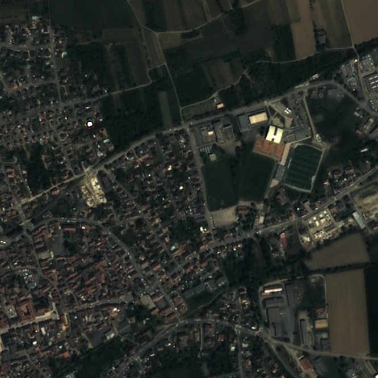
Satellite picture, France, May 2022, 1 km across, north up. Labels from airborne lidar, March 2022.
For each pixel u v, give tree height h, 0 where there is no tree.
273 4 0
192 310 0
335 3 0
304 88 0
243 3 0
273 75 6
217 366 12
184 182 0
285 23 0
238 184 0
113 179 0
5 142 0
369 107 0
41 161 6
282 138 0
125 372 0
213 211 0
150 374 8
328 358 0
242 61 8
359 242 0
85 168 0
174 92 0
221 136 0
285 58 0
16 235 0
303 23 0
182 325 0
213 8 0
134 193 0
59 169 10
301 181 0
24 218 0
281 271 16
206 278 0
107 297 0
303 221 0
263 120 0
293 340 0
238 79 0
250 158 0
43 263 0
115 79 0
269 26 0
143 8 0
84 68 6
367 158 11
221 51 0
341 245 0
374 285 0
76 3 0
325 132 0
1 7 0
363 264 0
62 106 0
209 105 0
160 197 7
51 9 0
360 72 0
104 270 0
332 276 0
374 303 0
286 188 0
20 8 0
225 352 6
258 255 0
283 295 0
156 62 0
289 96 0
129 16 0
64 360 0
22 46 0
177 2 0
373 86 0
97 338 0
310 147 0
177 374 0
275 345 0
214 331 0
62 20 0
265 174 0
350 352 0
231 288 12
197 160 0
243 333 0
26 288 11
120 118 10
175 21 0
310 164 0
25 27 0
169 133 0
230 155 0
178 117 0
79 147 0
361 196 0
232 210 0
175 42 0
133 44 0
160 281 0
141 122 7
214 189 0
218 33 0
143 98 0
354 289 0
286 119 0
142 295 0
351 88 0
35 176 6
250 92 8
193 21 0
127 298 0
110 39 0
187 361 7
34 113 0
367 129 0
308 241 0
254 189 0
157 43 0
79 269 7
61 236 0
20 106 0
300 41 0
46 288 0
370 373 0
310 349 0
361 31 0
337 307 0
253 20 0
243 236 0
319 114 0
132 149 0
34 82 0
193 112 0
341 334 0
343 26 0
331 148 0
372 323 0
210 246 0
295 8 0
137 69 0
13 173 0
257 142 0
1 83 0
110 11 0
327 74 10
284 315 0
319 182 0
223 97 0
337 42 0
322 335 0
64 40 0
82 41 0
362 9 0
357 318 0
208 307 8
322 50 12
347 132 0
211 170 0
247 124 0
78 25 0
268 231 0
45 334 0
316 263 0
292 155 0
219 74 0
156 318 0
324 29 0
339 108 0
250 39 0
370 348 0
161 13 0
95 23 0
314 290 0
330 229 0
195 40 0
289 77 0
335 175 0
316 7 0
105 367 0
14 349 0
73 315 0
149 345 0
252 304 8
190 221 6
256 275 0
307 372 0
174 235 8
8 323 0
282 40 0
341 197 0
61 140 0
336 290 0
